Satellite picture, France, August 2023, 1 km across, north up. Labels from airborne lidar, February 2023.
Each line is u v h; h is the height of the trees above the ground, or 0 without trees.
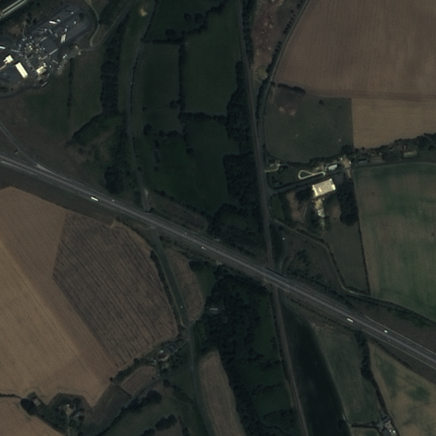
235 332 12
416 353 0
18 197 0
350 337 0
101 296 0
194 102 0
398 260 0
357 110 0
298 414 0
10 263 0
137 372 0
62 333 0
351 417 0
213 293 14
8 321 0
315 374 0
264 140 0
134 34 0
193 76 0
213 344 8
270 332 0
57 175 0
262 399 0
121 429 0
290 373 0
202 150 0
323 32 0
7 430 0
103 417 0
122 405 0
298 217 0
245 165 17
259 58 0
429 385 0
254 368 0
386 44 0
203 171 0
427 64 0
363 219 0
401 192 0
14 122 0
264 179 0
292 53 0
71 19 0
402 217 0
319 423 0
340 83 0
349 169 0
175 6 0
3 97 0
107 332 0
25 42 0
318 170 0
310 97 0
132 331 0
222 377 0
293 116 0
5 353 0
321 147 0
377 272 0
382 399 15
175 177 0
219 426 0
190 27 0
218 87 0
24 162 0
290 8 0
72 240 0
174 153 0
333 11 0
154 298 0
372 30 0
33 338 0
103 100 14
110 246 0
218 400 0
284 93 0
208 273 0
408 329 0
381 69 0
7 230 0
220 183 0
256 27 0
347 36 0
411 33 0
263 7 0
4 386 0
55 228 0
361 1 0
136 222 0
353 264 0
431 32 0
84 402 0
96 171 0
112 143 0
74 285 0
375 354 0
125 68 0
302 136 0
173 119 0
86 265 0
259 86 0
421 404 0
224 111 0
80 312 0
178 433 0
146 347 0
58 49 0
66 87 0
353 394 0
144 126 0
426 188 0
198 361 0
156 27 0
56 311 0
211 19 0
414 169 0
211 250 0
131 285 0
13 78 0
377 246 0
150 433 12
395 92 0
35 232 0
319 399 0
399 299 0
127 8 0
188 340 0
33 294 0
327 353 0
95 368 0
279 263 0
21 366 0
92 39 0
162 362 6
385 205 0
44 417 9
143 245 0
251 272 0
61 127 0
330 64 0
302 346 0
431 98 0
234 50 0
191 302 0
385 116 0
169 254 0
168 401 0
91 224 0
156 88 0
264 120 0
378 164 0
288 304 0
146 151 0
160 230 0
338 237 0
